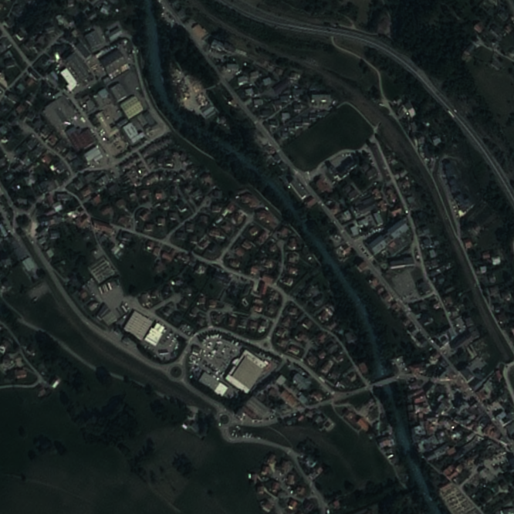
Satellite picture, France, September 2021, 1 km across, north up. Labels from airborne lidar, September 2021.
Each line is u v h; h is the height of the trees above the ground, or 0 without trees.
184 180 6
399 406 13
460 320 0
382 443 0
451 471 0
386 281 0
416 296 0
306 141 0
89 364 0
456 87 13
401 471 0
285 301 0
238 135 15
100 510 0
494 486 6
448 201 0
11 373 7
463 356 25
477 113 13
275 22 0
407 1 17
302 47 11
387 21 0
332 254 7
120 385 0
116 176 0
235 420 0
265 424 0
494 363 0
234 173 24
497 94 0
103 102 0
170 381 0
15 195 13
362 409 0
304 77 7
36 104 7
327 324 13
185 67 17
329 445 0
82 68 0
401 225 0
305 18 0
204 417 9
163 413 15
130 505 0
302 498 0
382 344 25
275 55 8
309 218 10
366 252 0
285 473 0
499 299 0
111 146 0
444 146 8
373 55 8
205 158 0
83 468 0
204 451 0
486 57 0
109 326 0
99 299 0
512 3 0
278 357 7
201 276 0
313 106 0
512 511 0
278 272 8
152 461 0
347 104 0
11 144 0
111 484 0
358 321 26
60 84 8
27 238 0
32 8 7
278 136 9
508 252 8
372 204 0
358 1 0
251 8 0
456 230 0
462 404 0
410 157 0
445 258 6
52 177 8
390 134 0
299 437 0
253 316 0
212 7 15
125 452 15
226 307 0
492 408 0
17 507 0
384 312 0
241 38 6
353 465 0
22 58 0
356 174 9
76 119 0
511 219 9
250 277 0
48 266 0
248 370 0
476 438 0
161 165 0
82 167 6
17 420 0
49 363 13
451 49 11
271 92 0
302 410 0
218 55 0
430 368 8
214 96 9
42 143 0
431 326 0
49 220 0
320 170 0
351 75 0
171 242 0
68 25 0
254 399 0
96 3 0
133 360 0
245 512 0
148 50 9
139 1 25
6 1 0
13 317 24
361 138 0
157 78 0
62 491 0
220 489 0
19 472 0
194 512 0
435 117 7
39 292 0
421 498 14
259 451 0
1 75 0
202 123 12
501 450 0
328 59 0
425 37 24
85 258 9
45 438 0
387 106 0
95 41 0
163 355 0
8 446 0
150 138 0
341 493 7
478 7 7
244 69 7
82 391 21
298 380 0
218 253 0
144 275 0
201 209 0
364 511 0
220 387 0
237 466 0
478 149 0
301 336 0
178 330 0
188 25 0
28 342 8
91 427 16
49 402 0
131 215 0
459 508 0
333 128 0
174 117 19
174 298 0
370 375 7
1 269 6
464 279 0
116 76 0
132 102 0
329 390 0
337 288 23
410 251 0
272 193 24
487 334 6
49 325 0
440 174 0
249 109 0
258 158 23
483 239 0
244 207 0
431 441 0
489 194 11
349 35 0
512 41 0
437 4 22
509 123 7
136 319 0
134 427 22
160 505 0
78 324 0
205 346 0
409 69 0
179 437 0
